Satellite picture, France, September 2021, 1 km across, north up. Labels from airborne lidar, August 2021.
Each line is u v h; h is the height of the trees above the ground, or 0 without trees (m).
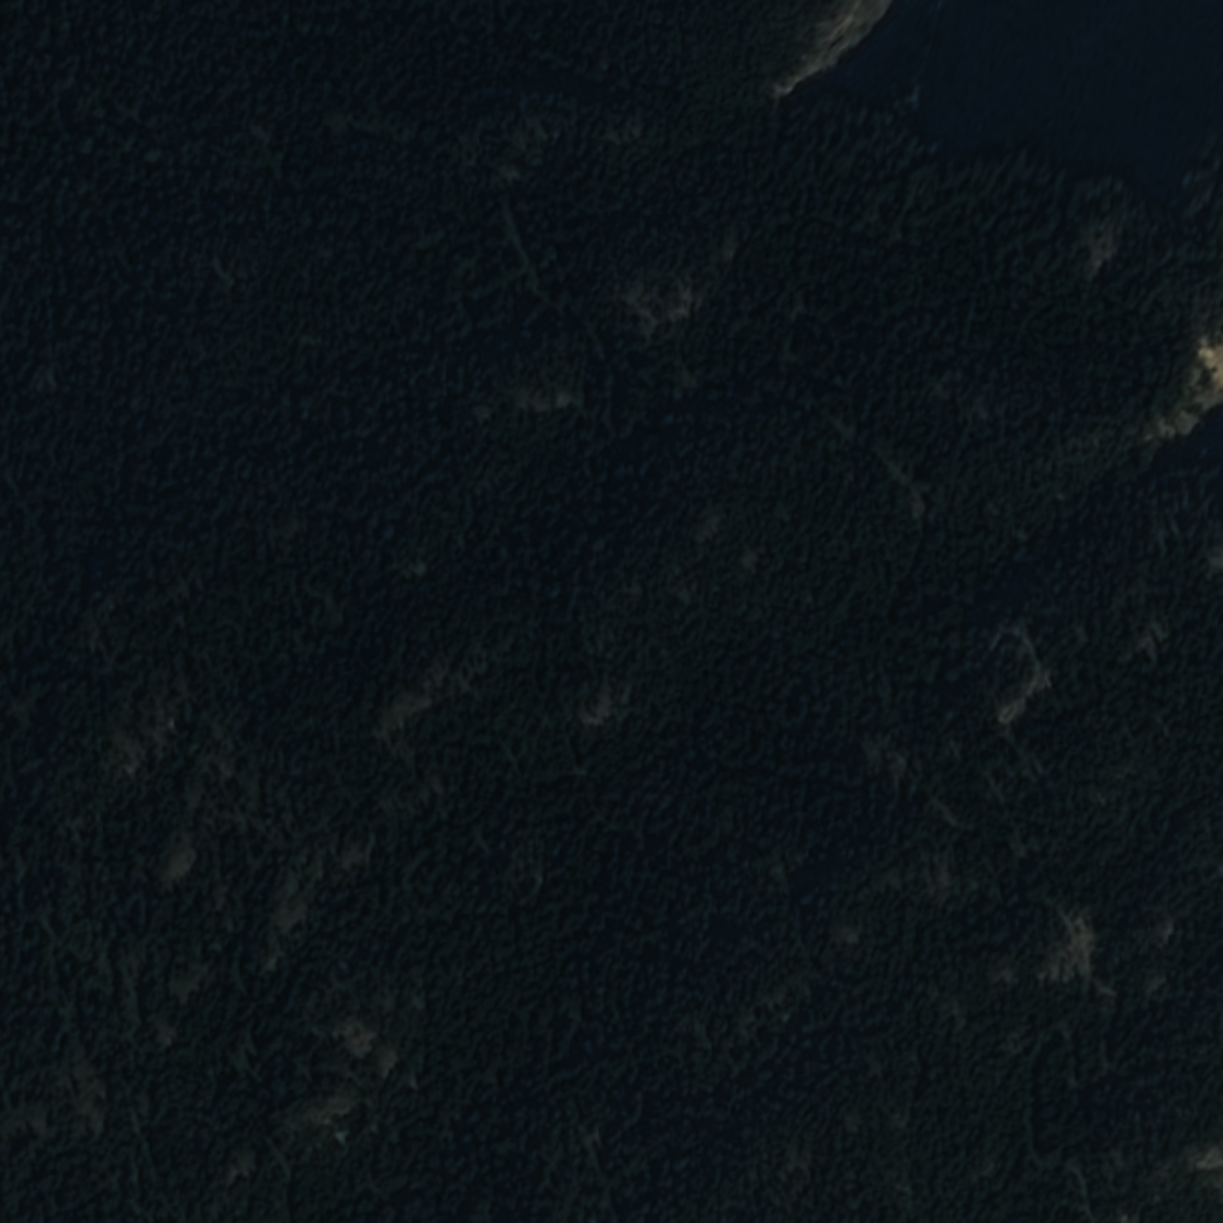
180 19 18
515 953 17
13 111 30
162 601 12
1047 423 18
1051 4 8
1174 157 17
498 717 15
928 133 7
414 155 7
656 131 8
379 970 12
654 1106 24
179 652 7
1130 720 8
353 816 5
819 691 28
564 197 20
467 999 16
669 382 24
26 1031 17
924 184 8
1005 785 11
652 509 24
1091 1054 14
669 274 11
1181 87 7
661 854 23
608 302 7
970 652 6
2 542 11
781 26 7
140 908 26
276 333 9
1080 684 6
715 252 7
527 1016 17
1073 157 11
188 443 27
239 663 13
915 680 14
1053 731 13
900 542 14
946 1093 12
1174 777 14
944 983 8
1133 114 12
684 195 12
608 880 24
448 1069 19
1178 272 9
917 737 13
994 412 8
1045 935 8
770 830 12
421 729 11
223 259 12
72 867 16
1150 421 13
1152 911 15
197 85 19
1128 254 11
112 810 9
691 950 24
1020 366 16
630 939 15
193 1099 17
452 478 11
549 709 7
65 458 21
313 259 6
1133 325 13
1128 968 6
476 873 12
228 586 12
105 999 12
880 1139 11
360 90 7
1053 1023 11
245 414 28
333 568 11
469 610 24
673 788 20
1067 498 15
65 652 7
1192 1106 8
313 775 8
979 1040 14
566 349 18
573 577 15
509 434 14
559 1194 17
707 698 22
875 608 14
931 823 6
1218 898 17
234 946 17
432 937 19
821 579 8
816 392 10
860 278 15
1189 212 15
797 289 7
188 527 31
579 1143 17
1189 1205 12
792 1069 13
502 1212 8
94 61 12
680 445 17
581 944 24
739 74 12
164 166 28
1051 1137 16
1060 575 16
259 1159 13
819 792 21
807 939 28
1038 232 26
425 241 32
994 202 24
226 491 25
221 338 9
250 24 11
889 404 9
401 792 13
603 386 34
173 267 9
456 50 17
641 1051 15
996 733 9
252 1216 14
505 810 25
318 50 24
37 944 20
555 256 10
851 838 24
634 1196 15
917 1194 17
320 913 16
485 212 21
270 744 8
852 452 13
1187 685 11
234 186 20
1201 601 16
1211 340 7
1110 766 7
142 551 14
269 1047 24
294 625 11
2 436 14
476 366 15
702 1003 13
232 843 12
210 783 7
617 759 19
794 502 12
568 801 23
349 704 12
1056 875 14
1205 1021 11
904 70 13
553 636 15
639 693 8
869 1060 11
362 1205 24
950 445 7
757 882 18
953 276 18
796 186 19
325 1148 8
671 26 15
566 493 16
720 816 13
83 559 8
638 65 12
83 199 26
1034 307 17
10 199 35
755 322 16
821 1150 7
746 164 13
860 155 19
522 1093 12
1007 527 8
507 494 13
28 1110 10
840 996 26
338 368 10
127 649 7
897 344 12
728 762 18
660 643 8
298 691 20
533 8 16
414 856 22
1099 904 19
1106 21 0
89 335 24
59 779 15
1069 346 10
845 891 12
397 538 12
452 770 11
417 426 17
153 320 32
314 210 18
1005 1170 12
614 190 18
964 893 18
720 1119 27
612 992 21
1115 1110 9
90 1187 19
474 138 9
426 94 19
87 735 12
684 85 10
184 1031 14
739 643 6
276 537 8
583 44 13
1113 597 10
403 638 20
